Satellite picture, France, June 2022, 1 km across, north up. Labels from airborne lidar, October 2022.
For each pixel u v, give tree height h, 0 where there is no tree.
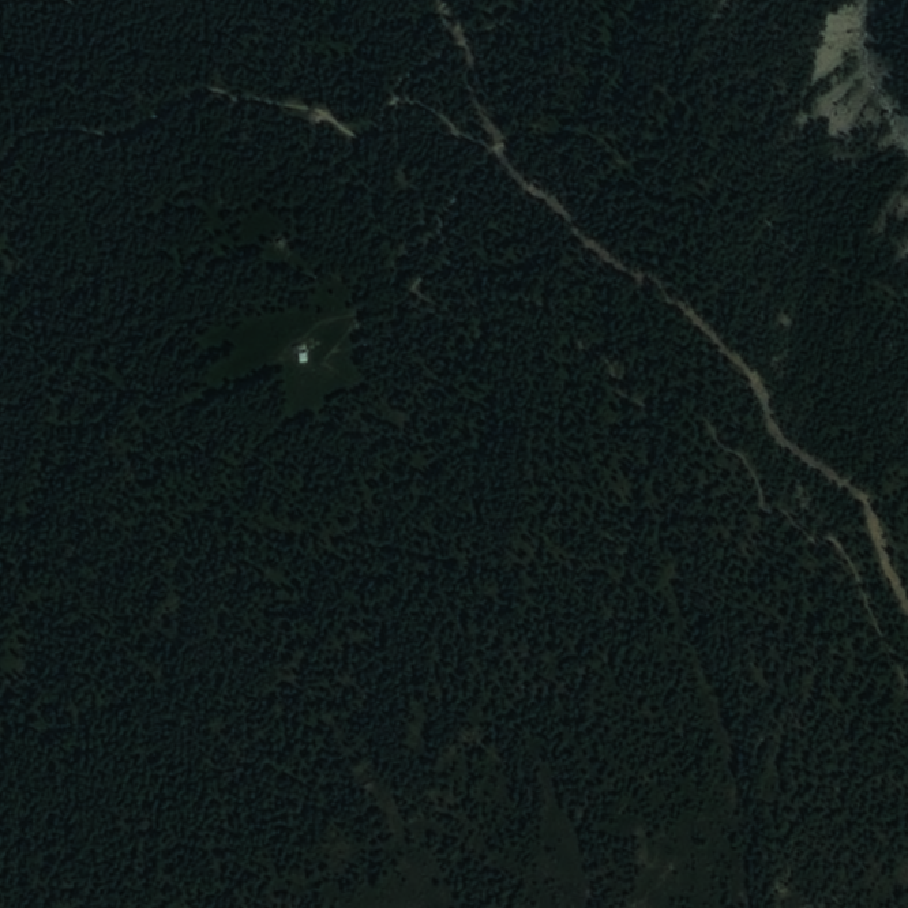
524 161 7
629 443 27
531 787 14
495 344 22
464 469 26
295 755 14
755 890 9
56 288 25
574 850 0
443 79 24
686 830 0
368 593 22
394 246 14
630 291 22
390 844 13
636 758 13
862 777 25
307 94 15
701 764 16
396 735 14
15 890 21
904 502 30
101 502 18
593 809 13
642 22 22
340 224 23
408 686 18
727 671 18
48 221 26
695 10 16
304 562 24
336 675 17
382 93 20
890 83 13
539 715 17
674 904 8
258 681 17
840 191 23
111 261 23
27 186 24
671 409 20
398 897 0
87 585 18
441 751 15
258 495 22
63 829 26
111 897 16
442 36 22
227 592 21
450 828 12
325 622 24
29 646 27
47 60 17
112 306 26
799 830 18
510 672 19
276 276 25
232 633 24
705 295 27
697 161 29
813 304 15
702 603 17
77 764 26
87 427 16
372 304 22
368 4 21
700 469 16
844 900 9
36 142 16
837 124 0
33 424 23
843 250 16
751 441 12
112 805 23
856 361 11
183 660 20
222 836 21
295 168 21
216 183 22
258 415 21
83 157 26
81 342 19
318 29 7
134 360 26
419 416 17
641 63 19
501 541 19
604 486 26
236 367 0
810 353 16
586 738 19
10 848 19
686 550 21
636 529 20
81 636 23
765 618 15
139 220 24
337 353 0
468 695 18
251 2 29
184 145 21
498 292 22
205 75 26
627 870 11
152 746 24
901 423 10
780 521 8
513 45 26
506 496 19
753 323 9
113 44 26
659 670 17
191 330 18
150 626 20
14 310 30
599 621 19
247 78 17
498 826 11
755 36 18
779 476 13
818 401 11
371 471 20
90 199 19
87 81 29
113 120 30
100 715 21
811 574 27
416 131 20
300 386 0
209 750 17
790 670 14
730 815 6
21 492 26
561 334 24
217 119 21
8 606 21
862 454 14
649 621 22
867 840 15
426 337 20
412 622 19
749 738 15
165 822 21
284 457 7
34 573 25
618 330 28
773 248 19
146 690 17
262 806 19
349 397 12
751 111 28
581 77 7
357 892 15
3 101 24
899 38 14
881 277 16
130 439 13
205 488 21
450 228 17
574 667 17
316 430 26
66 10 19
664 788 13
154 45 25
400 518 21
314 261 23
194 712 18
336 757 15
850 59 7
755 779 22
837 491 12
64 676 16
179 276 24
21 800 25
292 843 20
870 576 11
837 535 6
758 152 19
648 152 31
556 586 21
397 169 20
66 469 7
